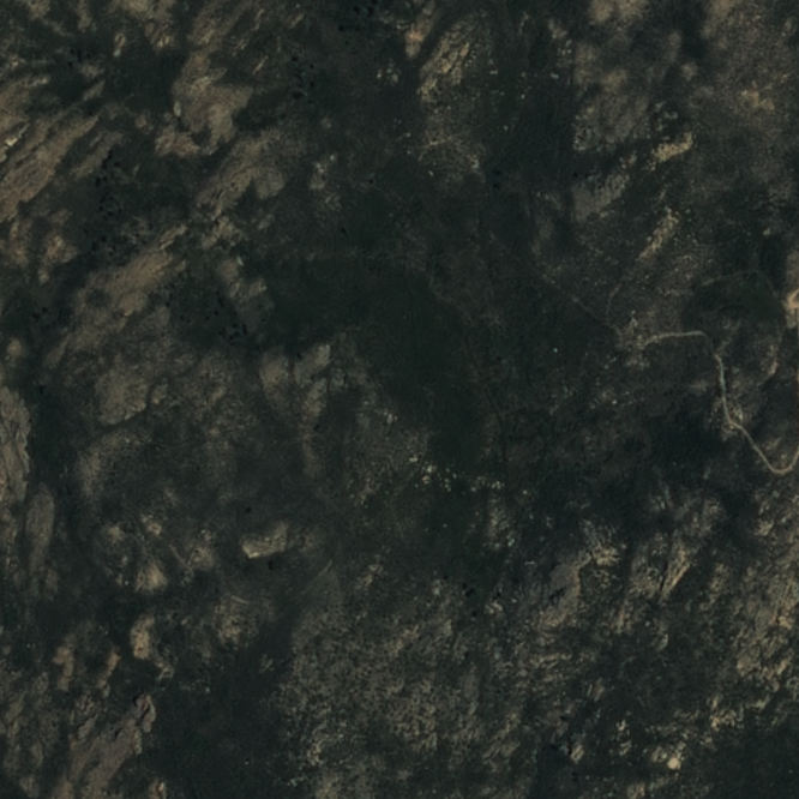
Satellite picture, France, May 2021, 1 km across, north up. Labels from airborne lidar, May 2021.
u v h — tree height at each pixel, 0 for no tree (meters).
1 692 0
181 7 0
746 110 0
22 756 0
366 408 0
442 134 0
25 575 0
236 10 0
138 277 0
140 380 0
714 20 0
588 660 0
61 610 0
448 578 13
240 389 0
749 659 0
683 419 5
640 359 0
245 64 0
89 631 0
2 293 0
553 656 0
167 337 0
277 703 0
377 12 19
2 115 0
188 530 0
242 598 0
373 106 0
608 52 0
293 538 0
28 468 0
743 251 6
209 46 0
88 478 0
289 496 0
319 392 0
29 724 0
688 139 0
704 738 0
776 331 0
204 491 0
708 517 0
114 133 0
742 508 6
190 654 0
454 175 0
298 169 0
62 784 0
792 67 0
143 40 0
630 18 0
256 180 0
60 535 0
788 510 0
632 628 0
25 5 0
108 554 0
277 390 0
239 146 0
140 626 0
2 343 0
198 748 6
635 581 0
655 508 0
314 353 0
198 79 0
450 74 0
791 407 0
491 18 0
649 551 0
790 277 0
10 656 0
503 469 5
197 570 0
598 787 0
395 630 0
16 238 0
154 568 0
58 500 0
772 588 0
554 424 9
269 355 0
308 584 0
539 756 6
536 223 0
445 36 0
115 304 0
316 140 0
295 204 0
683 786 0
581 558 0
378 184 26
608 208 0
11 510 0
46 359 0
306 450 0
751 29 0
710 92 0
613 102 0
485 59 0
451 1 0
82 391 0
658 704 0
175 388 0
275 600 0
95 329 0
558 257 0
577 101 0
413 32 0
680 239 0
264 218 0
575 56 0
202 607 0
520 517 7
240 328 16
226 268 0
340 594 0
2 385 0
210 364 0
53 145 0
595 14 0
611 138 0
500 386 6
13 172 0
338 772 0
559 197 0
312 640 0
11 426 0
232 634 0
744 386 0
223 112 0
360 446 0
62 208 0
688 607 0
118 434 0
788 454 0
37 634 0
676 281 0
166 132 0
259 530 0
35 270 0
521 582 15
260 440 0
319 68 22
